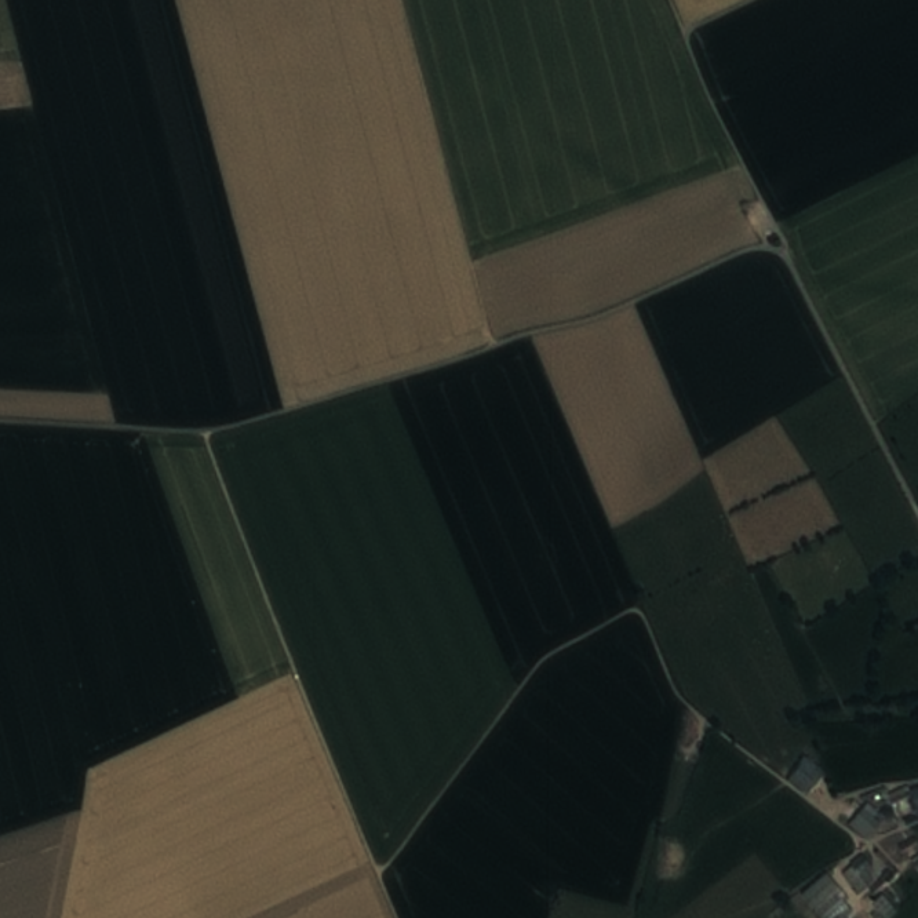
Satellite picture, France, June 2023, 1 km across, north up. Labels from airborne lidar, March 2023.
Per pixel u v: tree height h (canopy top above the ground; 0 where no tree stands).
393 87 0
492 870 0
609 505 0
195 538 0
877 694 14
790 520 0
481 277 0
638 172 0
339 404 0
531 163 0
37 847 0
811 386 0
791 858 0
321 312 0
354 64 0
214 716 0
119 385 0
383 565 0
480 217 0
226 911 0
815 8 0
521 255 0
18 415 0
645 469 0
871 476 0
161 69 0
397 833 0
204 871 0
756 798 0
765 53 0
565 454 0
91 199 0
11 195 0
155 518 0
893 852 0
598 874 0
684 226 0
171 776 0
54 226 0
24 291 0
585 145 0
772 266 0
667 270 0
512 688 0
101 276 0
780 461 0
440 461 0
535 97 0
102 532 0
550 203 0
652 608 0
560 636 0
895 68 0
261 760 0
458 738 0
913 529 0
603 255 0
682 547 0
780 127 0
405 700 0
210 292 0
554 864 0
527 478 0
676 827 0
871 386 0
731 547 0
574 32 0
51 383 0
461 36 0
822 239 0
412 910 0
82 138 0
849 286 0
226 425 0
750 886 0
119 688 0
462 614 0
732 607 0
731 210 0
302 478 0
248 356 0
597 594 0
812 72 0
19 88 0
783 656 0
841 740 0
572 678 0
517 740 0
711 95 0
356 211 0
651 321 0
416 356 0
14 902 0
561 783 0
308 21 0
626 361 0
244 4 0
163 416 0
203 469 0
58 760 0
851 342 0
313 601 0
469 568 0
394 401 0
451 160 0
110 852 0
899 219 0
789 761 0
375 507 0
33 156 0
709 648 0
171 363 0
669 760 0
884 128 0
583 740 0
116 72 0
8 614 0
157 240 0
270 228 0
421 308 0
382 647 0
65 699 0
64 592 0
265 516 0
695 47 0
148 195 0
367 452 0
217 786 0
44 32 0
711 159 0
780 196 0
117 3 0
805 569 0
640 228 0
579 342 0
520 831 0
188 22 0
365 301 0
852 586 0
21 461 0
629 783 0
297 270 0
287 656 0
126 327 0
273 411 0
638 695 0
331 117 0
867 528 0
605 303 0
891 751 0
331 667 0
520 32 0
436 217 0
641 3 0
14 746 0
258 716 0
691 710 0
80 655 0
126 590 0
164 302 0
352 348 0
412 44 0
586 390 0
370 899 0
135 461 0
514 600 0
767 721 0
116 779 0
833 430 0
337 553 0
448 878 0
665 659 0
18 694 0
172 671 0
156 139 0
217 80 0
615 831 0
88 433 0
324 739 0
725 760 0
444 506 0
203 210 0
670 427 0
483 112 0
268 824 0
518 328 0
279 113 0
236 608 0
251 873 0
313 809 0
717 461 0
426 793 0
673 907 0
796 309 0
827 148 0
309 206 0
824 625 0
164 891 0
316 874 0
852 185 0
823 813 0
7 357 0
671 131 0
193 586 0
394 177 0
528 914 0
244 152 0
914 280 0
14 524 0
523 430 0
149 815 0
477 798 0
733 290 0
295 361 0
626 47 0
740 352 0
